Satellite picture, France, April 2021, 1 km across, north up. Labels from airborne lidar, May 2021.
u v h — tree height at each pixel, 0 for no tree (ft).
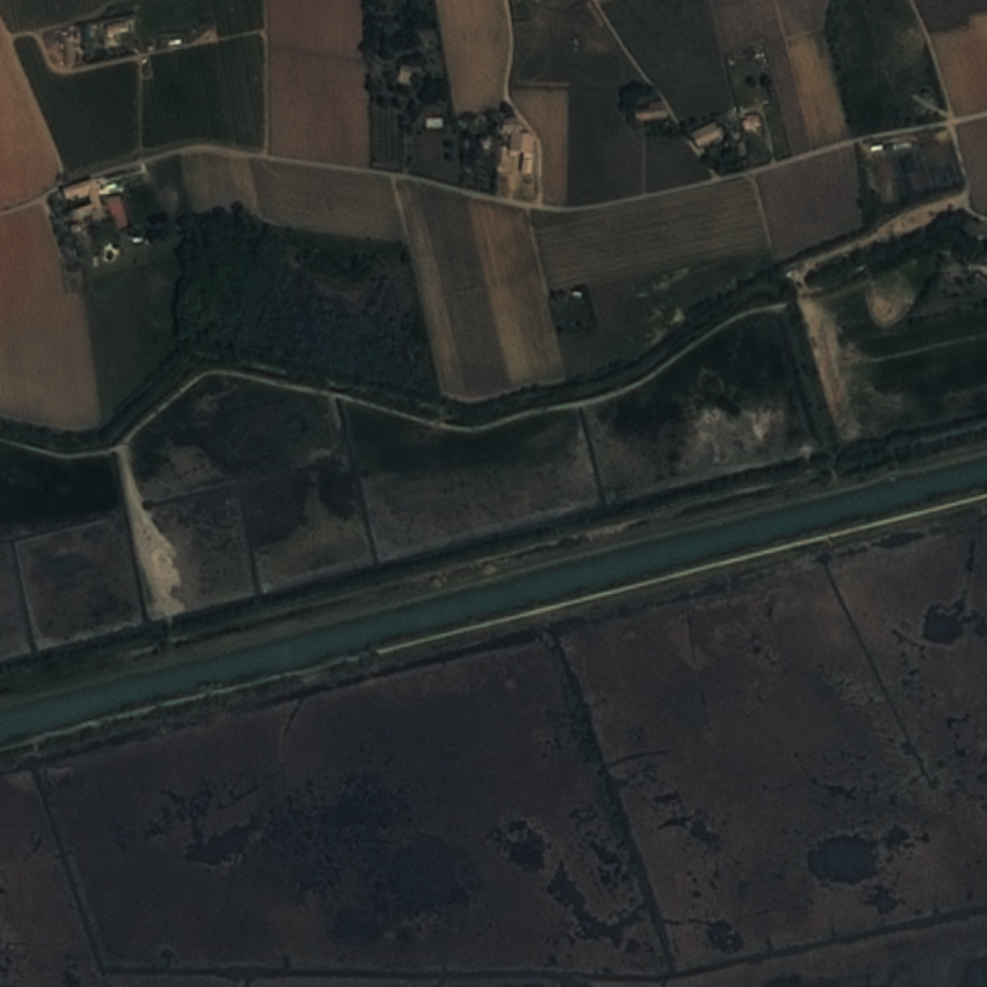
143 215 0
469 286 0
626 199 0
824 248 22
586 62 0
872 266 37
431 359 21
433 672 0
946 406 0
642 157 0
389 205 0
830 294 0
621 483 0
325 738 0
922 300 32
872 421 0
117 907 0
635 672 0
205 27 0
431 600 0
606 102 0
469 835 0
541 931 0
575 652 0
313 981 0
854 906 0
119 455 0
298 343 29
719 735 0
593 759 19
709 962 0
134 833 0
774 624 0
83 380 0
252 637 0
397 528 0
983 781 0
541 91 0
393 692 0
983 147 0
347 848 0
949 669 0
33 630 0
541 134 0
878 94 0
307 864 0
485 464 0
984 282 0
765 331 0
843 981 0
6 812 0
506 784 0
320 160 0
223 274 57
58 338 0
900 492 0
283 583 0
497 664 0
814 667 0
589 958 0
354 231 0
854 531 0
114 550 0
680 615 0
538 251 0
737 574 0
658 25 0
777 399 0
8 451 0
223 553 0
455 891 0
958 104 0
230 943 0
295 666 0
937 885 0
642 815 0
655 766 0
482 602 0
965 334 0
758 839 0
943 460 0
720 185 0
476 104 0
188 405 0
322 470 0
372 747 0
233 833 0
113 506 0
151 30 0
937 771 0
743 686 0
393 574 22
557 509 0
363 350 31
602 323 0
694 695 0
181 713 26
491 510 0
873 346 0
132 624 0
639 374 0
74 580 0
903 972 0
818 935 0
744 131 19
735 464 0
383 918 0
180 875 0
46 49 0
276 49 0
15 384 0
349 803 0
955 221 50
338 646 0
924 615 0
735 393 0
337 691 0
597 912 0
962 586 0
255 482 0
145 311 0
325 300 29
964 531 0
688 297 0
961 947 0
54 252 0
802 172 0
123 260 0
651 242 0
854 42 0
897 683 0
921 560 0
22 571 0
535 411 0
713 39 0
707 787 0
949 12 0
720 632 0
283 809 0
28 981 0
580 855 0
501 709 0
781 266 21
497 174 28
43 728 0
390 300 0
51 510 0
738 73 0
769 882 0
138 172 0
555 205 0
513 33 0
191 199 0
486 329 0
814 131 0
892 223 0
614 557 0
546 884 0
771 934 0
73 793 0
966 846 0
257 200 0
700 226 0
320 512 0
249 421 0
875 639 0
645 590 0
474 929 0
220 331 40
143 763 0
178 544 0
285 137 0
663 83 0
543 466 0
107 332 0
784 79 0
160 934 0
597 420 0
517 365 0
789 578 0
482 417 33
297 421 0
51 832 0
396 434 0
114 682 0
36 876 0
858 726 0
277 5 0
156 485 0
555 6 0
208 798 0
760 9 0
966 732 0
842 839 0
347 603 0
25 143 0
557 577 0
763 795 0
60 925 0
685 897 0
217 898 0
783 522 0
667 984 0
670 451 0
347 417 0
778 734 0
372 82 26
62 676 0
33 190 0
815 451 0
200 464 0
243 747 0
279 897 0
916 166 0
